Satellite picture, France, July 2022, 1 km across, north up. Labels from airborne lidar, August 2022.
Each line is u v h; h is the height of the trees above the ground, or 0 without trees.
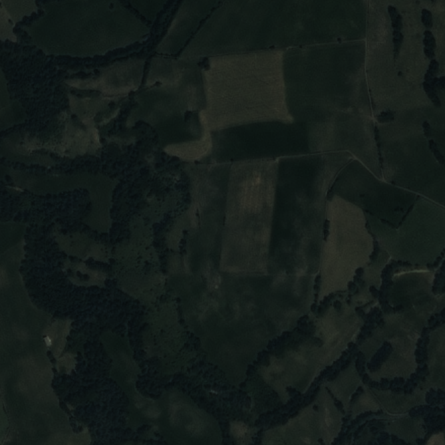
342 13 0
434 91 19
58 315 17
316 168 0
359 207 0
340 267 0
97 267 19
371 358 0
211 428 0
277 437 0
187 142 0
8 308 0
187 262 0
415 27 0
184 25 0
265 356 20
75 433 6
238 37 0
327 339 0
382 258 0
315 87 0
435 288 15
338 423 0
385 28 0
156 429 0
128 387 0
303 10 0
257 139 0
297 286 0
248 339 0
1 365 0
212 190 0
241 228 0
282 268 0
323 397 0
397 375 0
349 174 0
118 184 0
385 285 20
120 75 0
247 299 0
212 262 0
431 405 16
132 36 0
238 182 0
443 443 0
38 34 0
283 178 0
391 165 0
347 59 0
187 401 0
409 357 0
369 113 0
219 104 0
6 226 0
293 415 14
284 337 16
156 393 14
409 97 0
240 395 15
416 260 0
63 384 23
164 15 13
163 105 0
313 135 0
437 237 0
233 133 0
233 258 0
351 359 9
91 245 0
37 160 0
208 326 0
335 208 0
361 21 0
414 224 0
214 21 0
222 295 0
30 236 19
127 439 13
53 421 0
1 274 0
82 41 0
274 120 0
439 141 0
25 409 0
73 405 6
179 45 0
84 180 0
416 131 0
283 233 0
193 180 0
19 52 14
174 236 0
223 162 0
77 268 0
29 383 0
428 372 12
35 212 6
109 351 0
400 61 0
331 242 0
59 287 11
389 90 0
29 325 0
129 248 0
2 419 0
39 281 11
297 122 0
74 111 0
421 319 0
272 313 0
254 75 0
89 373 19
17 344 0
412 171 0
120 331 16
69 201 14
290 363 0
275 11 0
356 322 0
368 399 0
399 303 0
